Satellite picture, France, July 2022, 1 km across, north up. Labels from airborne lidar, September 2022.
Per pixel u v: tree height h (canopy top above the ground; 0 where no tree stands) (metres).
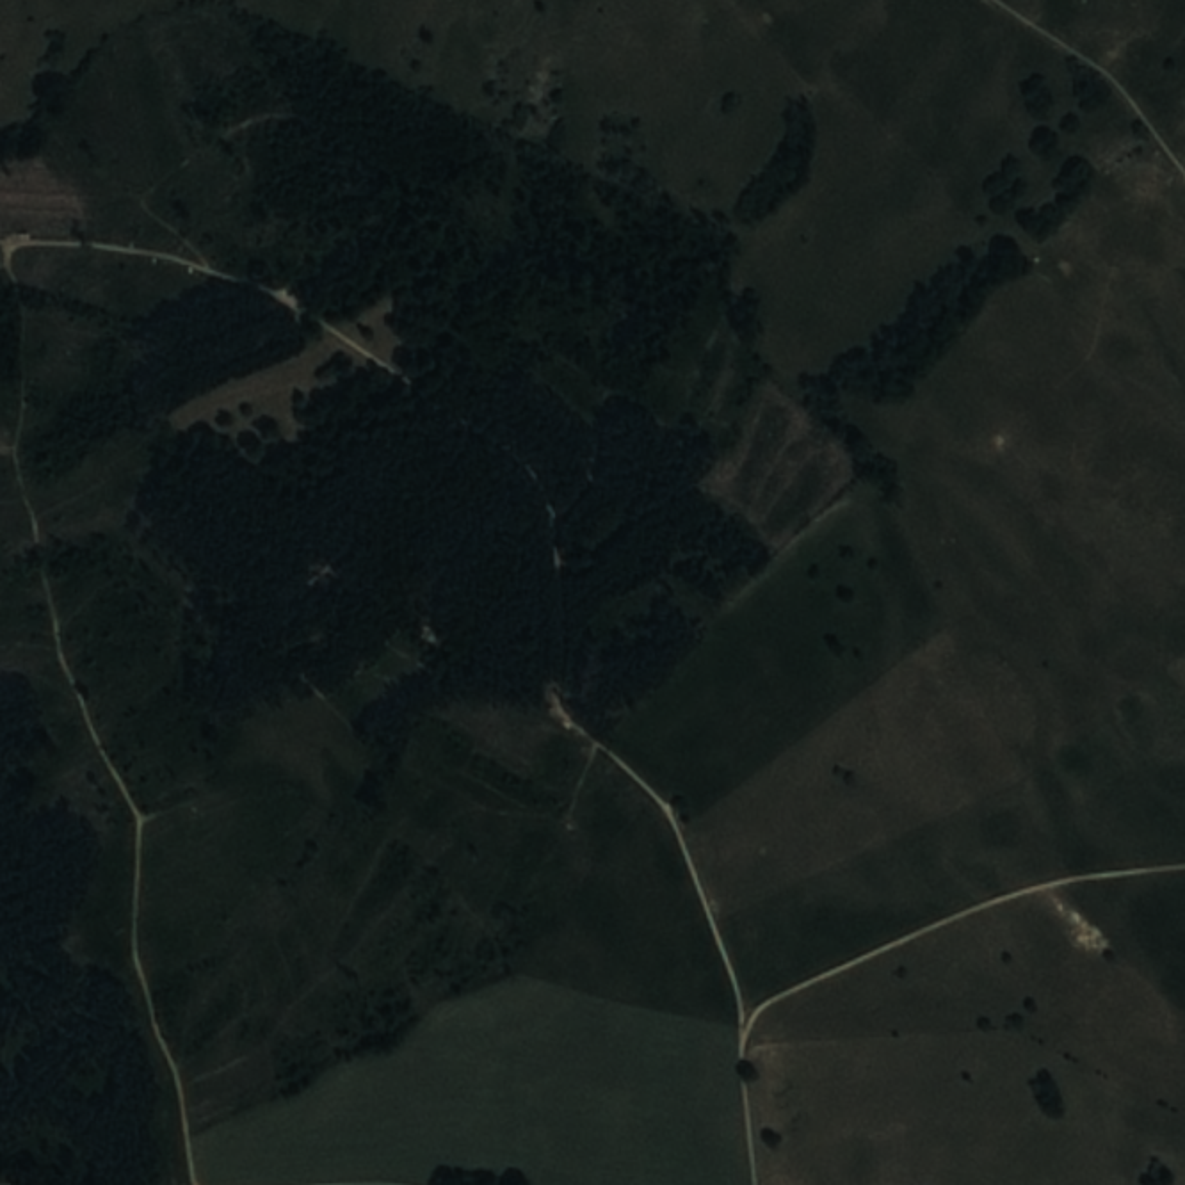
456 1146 0
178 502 23
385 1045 18
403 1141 0
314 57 11
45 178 0
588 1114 0
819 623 0
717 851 0
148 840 0
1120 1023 0
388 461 21
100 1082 0
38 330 0
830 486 0
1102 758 0
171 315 16
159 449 17
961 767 0
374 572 20
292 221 6
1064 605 0
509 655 20
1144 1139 0
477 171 16
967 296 17
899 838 0
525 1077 0
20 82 0
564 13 0
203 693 23
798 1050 0
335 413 16
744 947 0
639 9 0
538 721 0
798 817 0
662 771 0
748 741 0
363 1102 0
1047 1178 0
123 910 0
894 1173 0
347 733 0
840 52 0
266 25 12
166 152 0
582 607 17
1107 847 0
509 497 21
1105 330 0
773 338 0
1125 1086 0
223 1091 0
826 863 0
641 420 25
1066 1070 0
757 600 0
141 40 0
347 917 0
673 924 0
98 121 0
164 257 0
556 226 10
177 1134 0
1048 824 0
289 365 0
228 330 23
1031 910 0
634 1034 0
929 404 0
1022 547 0
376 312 0
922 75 0
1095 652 0
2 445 0
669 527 17
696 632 20
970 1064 0
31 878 24
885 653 0
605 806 0
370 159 12
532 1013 0
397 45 0
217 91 6
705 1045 0
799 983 0
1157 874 0
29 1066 22
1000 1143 0
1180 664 0
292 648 8
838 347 0
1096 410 0
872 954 0
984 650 0
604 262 17
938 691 0
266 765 0
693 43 0
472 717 0
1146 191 0
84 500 0
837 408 11
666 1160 0
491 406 25
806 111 15
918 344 19
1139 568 0
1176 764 0
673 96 0
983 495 0
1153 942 0
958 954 0
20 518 0
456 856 0
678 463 28
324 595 18
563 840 0
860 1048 0
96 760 0
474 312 11
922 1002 0
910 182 0
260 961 0
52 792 0
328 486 17
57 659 0
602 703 20
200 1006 0
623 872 0
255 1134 0
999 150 0
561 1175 0
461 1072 0
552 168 8
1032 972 0
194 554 27
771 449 0
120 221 0
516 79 0
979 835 0
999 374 0
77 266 0
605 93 0
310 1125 0
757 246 0
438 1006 0
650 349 6
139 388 20
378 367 17
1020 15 0
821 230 0
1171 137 0
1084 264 0
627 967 0
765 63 0
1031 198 0
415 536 26
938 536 0
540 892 0
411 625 13
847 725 0
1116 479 0
